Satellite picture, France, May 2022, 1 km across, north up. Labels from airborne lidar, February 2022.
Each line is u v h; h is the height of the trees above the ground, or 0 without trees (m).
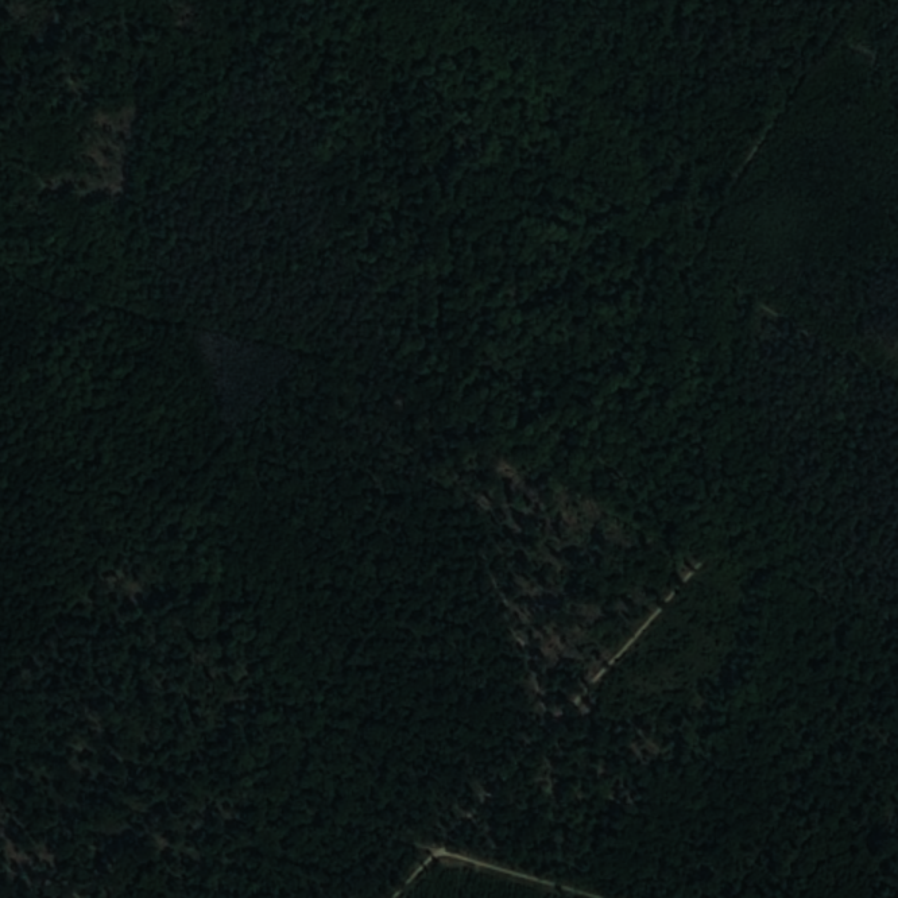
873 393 28
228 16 28
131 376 25
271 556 24
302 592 22
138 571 31
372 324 26
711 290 26
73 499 29
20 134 30
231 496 24
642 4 26
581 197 27
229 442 23
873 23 7
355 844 25
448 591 22
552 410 34
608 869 24
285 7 28
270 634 27
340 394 21
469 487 27
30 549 23
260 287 27
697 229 20
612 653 0
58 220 19
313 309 28
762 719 22
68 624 27
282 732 32
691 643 7
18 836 31
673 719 8
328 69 31
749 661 29
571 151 23
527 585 30
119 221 24
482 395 32
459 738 22
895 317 22
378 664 20
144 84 19
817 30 22
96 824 28
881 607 24
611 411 29
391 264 32
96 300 23
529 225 34
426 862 0
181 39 16
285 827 21
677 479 30
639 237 21
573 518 0
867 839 9
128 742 33
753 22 28
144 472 23
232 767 28
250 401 22
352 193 32
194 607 34
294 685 21
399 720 21
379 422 24
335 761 23
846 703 20
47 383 26
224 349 22
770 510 28
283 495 21
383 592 22
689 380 33
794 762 26
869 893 6
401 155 26
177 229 31
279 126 31
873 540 23
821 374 27
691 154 28
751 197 11
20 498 25
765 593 23
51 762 32
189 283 28
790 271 10
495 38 25
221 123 29
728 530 31
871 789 27
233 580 29
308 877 26
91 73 31
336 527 22
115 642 30
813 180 8
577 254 34
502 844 27
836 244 8
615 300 34
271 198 31
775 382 26
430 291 34
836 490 22
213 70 24
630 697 6
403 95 29
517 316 33
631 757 26
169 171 29
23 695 26
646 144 27
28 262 26
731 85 25
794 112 7
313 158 31
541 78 28
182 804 31
